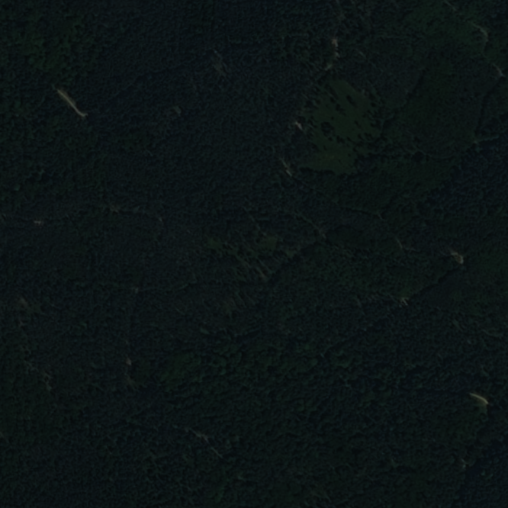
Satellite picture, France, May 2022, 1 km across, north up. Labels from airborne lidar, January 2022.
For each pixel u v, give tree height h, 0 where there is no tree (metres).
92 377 23
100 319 23
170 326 22
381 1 29
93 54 30
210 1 17
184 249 20
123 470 23
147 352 29
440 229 15
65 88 28
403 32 19
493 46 17
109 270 28
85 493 26
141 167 24
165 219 24
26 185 25
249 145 28
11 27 32
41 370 16
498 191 23
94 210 17
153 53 26
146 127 27
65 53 36
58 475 16
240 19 25
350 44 16
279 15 24
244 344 30
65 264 17
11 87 30
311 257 22
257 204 24
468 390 27
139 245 22
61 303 28
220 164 31
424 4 26
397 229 27
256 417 26
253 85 32
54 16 31
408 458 30
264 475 28
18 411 15
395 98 23
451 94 21
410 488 31
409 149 22
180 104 23
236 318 16
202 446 16
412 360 30
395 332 17
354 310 22
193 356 30
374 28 22
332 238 26
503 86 18
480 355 33
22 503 26
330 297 24
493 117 19
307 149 31
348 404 36
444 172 15
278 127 29
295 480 27
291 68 22
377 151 20
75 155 24
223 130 30
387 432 34
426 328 22
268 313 30
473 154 8
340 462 21
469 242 20
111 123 20
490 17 13
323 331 25
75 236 16
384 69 27
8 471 19
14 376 13
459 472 11
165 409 28
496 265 17
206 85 19
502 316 22
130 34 29
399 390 28
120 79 29
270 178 27
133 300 24
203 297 21
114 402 27
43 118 27
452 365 29
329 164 0
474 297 11
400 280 18
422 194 29
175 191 22
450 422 24
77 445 20
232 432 20
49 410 16
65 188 21
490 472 29
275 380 35
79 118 28
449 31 22
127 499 16
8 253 18
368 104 0
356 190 15
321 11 26
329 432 28
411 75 21
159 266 21
